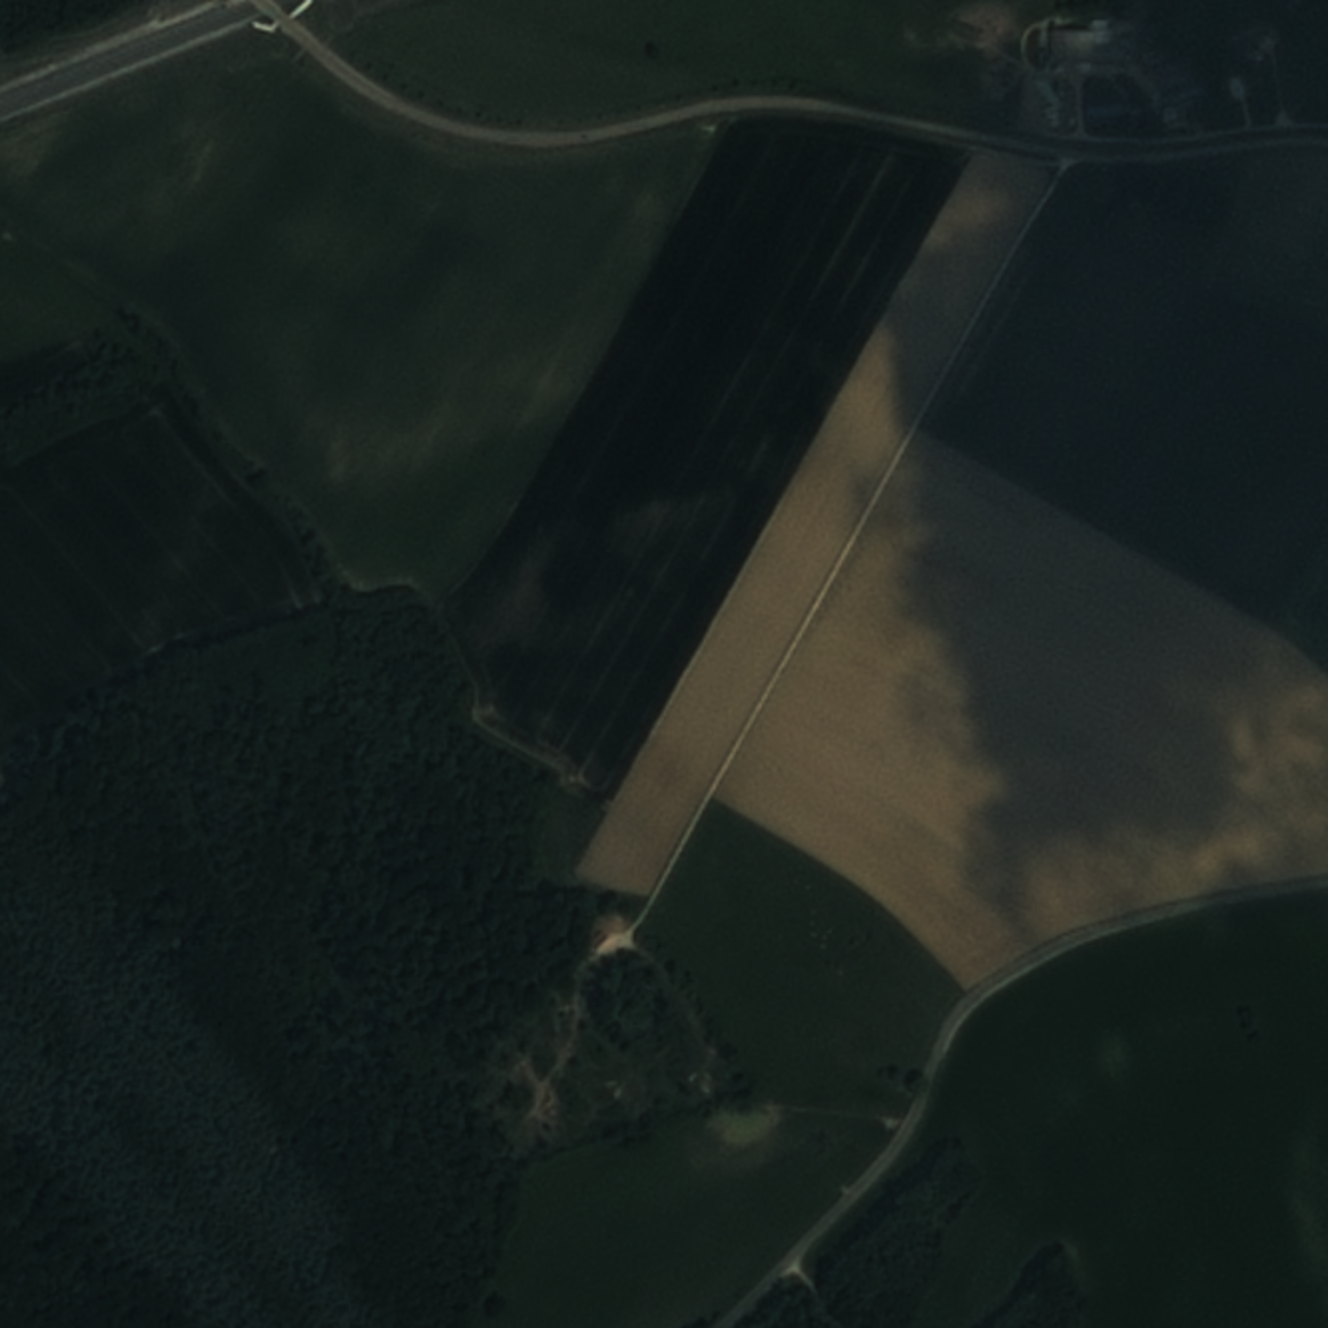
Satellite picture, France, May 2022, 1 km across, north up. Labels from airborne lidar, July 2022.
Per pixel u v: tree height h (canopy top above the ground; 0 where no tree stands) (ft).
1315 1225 0
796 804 0
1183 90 0
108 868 83
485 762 62
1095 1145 0
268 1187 86
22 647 0
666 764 0
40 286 0
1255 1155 0
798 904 0
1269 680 0
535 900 68
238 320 0
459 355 0
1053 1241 0
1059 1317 40
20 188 0
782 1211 0
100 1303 65
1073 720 0
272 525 0
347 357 0
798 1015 0
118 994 83
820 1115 0
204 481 0
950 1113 0
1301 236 0
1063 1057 0
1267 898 0
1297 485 0
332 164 0
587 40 0
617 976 66
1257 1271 0
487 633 0
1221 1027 0
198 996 86
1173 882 0
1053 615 0
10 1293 69
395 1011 53
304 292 0
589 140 0
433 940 52
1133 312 0
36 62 0
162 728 78
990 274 0
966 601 0
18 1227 82
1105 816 0
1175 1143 0
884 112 0
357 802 81
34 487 0
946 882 0
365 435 0
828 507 0
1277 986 0
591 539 0
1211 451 0
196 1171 59
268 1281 57
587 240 0
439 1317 94
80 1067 55
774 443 0
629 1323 0
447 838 77
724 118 0
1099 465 0
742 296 0
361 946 75
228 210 0
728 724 0
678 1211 0
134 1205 84
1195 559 0
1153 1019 0
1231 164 0
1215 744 0
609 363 0
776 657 0
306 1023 36
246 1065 71
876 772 0
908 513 0
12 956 53
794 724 0
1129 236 0
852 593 0
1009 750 0
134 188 0
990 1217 0
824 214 0
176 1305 64
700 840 0
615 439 0
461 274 0
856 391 0
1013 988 0
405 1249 92
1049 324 0
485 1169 62
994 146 0
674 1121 38
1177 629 0
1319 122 0
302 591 0
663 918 0
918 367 0
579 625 0
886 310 0
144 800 93
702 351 0
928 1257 59
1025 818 0
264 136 0
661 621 0
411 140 0
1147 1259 0
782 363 0
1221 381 0
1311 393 0
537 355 0
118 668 0
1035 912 0
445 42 0
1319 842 0
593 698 0
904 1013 0
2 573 0
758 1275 0
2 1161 80
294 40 0
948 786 0
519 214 0
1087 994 0
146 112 0
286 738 64
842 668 0
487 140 0
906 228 0
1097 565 0
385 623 68
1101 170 0
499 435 0
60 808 78
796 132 0
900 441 0
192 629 0
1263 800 0
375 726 72
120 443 0
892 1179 0
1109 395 0
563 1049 0
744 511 0
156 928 82
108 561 0
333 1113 85
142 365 43
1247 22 0
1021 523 0
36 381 0
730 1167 0
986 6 0
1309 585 0
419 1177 61
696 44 0
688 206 0
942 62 0
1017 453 0
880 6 0
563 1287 0
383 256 0
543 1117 0
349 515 0
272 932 27
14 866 55
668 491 0
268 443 0
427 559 0
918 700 0
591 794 0
